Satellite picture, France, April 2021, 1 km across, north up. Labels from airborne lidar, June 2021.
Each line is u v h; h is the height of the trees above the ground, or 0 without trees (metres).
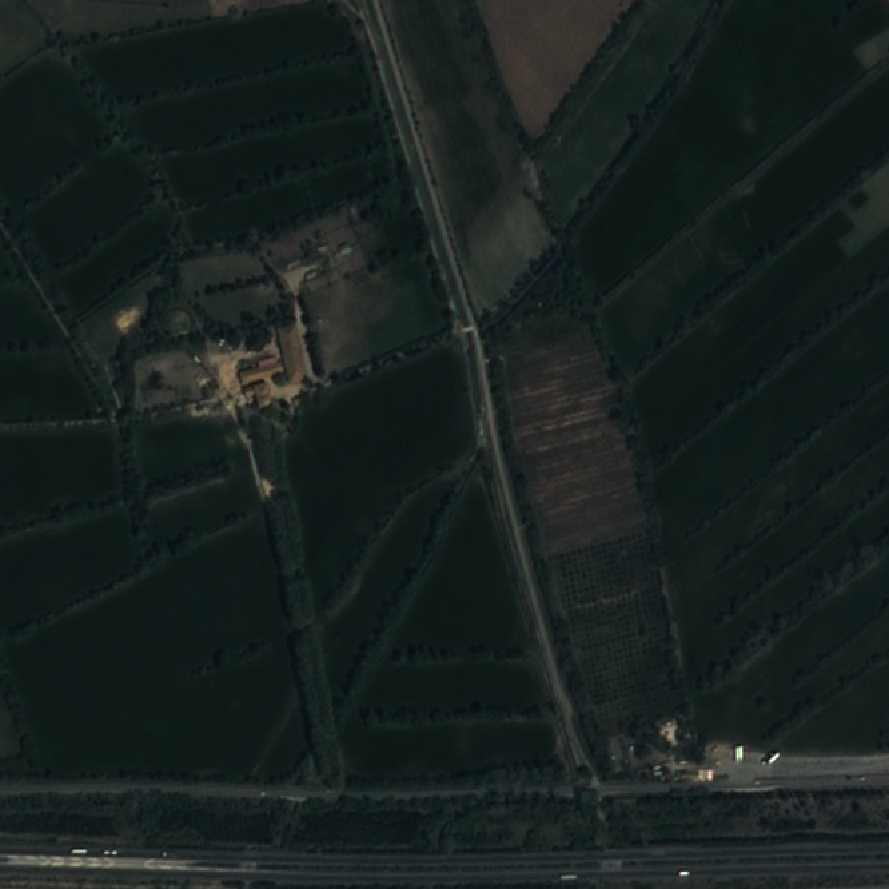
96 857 0
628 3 0
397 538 0
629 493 0
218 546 0
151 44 0
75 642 0
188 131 0
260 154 0
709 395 0
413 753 0
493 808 18
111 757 0
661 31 0
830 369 0
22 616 0
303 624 24
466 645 0
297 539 27
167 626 0
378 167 0
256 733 0
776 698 0
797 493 0
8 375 0
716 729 0
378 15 0
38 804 8
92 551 0
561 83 0
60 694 0
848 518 6
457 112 0
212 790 0
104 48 0
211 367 0
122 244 0
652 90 0
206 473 15
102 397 11
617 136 0
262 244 8
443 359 0
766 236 0
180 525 0
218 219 0
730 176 0
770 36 0
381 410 0
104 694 0
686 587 0
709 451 0
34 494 0
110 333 0
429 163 7
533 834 7
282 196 0
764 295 0
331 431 0
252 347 16
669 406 0
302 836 6
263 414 17
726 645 0
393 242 0
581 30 0
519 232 0
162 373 0
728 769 0
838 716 0
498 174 0
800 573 0
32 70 0
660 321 0
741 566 0
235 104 0
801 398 0
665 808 9
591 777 10
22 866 0
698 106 0
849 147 0
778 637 10
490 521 0
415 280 0
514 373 0
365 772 0
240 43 0
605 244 0
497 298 0
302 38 0
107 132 0
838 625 0
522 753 0
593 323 12
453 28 0
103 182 0
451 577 0
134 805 6
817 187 0
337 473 0
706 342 0
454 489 14
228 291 13
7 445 0
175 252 12
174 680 0
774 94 0
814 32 0
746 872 0
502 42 0
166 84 0
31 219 0
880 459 0
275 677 0
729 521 0
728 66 0
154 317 12
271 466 26
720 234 0
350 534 0
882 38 0
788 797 13
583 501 0
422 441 0
